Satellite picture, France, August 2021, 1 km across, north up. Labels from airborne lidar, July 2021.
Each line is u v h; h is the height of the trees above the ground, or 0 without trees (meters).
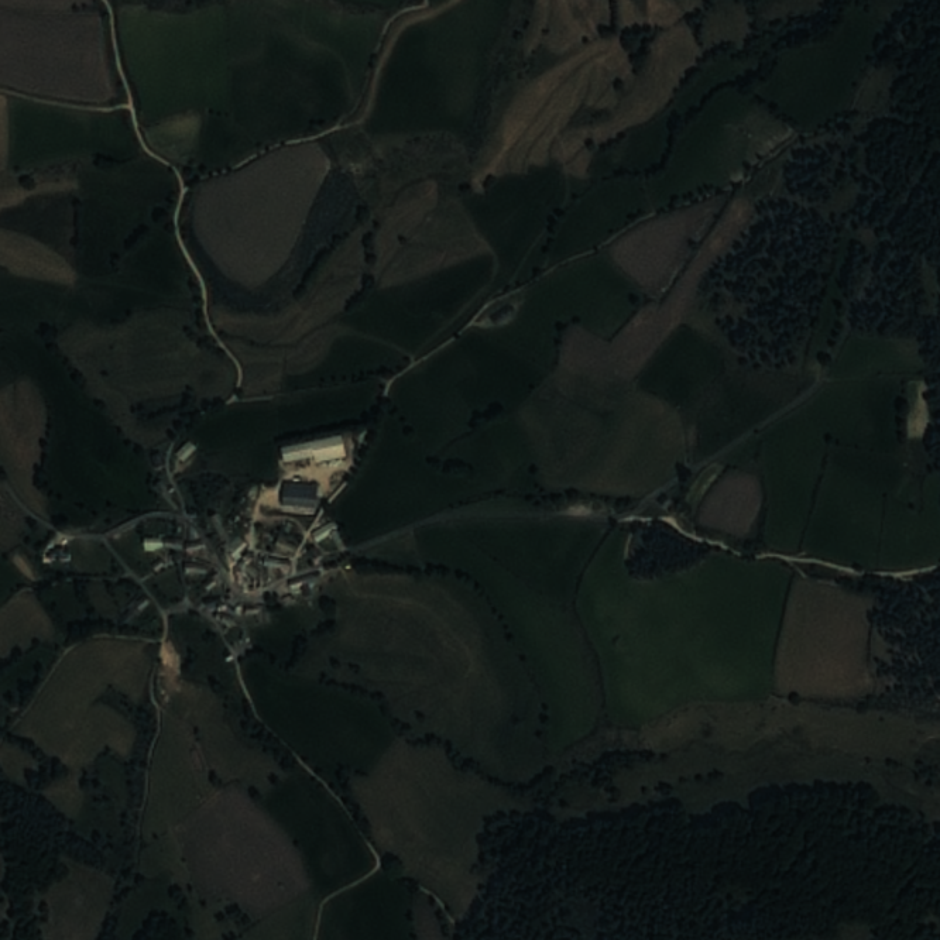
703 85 0
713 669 0
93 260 0
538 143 0
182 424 9
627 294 0
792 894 18
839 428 0
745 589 0
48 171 0
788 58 0
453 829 0
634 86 0
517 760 0
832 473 0
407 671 0
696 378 0
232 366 0
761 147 0
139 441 0
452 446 0
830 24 18
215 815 0
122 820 7
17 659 11
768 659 0
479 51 0
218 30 0
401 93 0
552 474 0
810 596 0
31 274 0
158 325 0
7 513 0
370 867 0
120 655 0
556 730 0
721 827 16
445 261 0
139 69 0
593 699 0
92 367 0
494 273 0
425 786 0
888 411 0
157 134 0
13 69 0
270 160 0
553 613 0
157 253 0
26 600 0
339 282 0
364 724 0
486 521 0
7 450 0
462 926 8
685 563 14
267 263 0
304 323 0
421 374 0
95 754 0
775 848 16
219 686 14
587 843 12
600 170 0
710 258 0
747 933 21
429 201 0
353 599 0
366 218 12
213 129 0
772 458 0
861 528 0
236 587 0
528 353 0
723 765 0
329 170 0
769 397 0
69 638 7
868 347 0
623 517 0
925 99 18
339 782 9
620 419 0
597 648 0
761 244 9
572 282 0
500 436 0
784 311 15
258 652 14
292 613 0
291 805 0
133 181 0
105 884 0
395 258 0
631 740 0
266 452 0
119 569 8
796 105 0
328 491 0
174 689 0
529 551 0
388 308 0
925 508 0
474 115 0
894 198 10
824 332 0
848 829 12
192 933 14
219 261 0
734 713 0
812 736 0
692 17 12
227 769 0
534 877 10
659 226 0
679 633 0
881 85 0
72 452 0
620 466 0
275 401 0
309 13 0
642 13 0
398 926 0
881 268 12
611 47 0
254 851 0
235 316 0
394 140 0
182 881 0
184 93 0
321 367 0
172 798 0
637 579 9
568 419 0
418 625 0
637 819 16
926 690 12
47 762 10
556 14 0
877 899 18
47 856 15
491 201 0
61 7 0
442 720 0
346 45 0
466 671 0
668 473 0
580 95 0
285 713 0
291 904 0
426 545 0
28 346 0
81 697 0
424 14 0
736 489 0
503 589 0
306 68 0
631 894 10
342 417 0
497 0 0
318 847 0
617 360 0
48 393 0
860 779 0
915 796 0
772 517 0
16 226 0
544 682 0
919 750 0
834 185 8
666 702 0
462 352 0
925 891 14
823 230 19
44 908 12
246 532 0
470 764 10
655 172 11
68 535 0
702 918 18
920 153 10
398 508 0
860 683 0
